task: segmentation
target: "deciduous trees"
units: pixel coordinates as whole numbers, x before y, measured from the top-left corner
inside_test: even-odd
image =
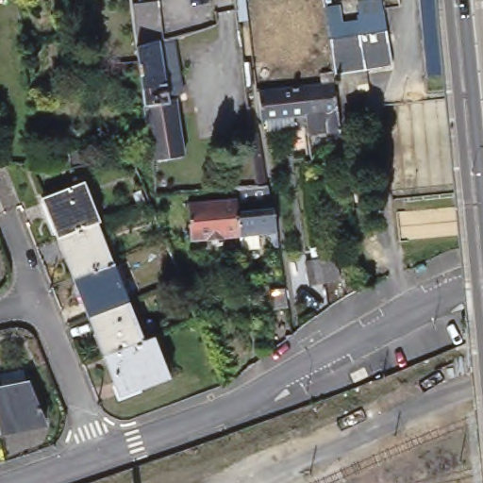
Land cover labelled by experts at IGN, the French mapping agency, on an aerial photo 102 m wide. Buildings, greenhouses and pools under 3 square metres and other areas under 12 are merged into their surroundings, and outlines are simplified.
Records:
[[[385,100],[379,87],[372,87],[368,91],[347,94],[345,109],[340,111],[341,136],[330,134],[321,142],[311,145],[313,168],[309,168],[306,175],[298,179],[296,185],[291,185],[289,196],[294,200],[294,192],[300,191],[304,194],[302,215],[306,217],[308,225],[309,249],[315,247],[317,257],[326,262],[334,262],[340,268],[358,268],[357,258],[364,255],[364,238],[372,236],[374,232],[387,230],[385,208],[389,200],[391,191],[394,177],[392,128],[396,125],[396,111],[392,108],[391,102]]]
[[[57,70],[51,79],[51,94],[47,96],[53,100],[70,100],[77,89],[85,91],[81,108],[77,108],[74,117],[70,117],[70,140],[23,143],[23,164],[34,177],[55,177],[70,172],[66,162],[68,155],[72,155],[74,151],[79,151],[79,162],[91,170],[96,181],[108,170],[123,172],[123,164],[134,164],[142,170],[145,177],[153,177],[153,174],[153,158],[155,145],[147,136],[149,130],[145,128],[143,119],[140,87],[136,91],[126,91],[113,81],[109,81],[106,75],[98,72]]]
[[[175,317],[179,325],[189,323],[192,319],[200,319],[208,321],[209,326],[217,325],[223,328],[226,319],[232,321],[241,317],[253,321],[257,317],[260,325],[274,325],[277,313],[272,296],[268,302],[262,302],[257,294],[264,292],[262,285],[255,285],[251,281],[251,275],[241,275],[236,270],[228,268],[213,275],[211,279],[196,279],[194,287],[189,291],[177,285],[164,283],[160,289],[153,291],[157,296],[157,302],[151,311],[160,311],[168,317]]]
[[[17,45],[25,47],[23,62],[26,68],[19,74],[19,85],[30,85],[43,72],[38,57],[42,45],[57,43],[57,55],[70,53],[79,62],[92,62],[106,58],[109,32],[104,23],[106,0],[70,0],[72,13],[55,11],[58,23],[55,30],[42,30],[32,25],[28,19],[21,19],[23,28],[17,34]]]
[[[13,128],[0,128],[0,168],[6,166],[13,164]]]

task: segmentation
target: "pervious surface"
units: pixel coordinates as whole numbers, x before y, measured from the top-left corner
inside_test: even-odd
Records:
[[[126,470],[94,483],[134,483],[132,470]]]
[[[72,275],[64,258],[45,264],[51,289],[57,292],[58,304],[64,309],[77,306],[72,291]]]
[[[464,351],[457,351],[453,347],[451,351],[428,358],[425,362],[413,366],[404,364],[398,368],[396,374],[381,377],[364,387],[355,387],[353,391],[341,392],[338,396],[328,398],[315,406],[296,409],[287,415],[264,421],[260,425],[249,426],[241,432],[209,441],[194,449],[181,451],[177,455],[158,458],[155,462],[140,468],[142,483],[474,483],[468,441],[470,432],[468,426],[462,426],[460,417],[460,406],[468,400],[468,396],[460,394],[460,381],[466,377],[464,372],[468,370],[470,360],[464,357]]]

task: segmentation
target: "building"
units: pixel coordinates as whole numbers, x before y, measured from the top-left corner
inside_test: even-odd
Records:
[[[438,30],[440,0],[419,0],[423,11],[428,75],[443,74]]]
[[[0,209],[13,211],[17,206],[23,206],[6,166],[0,168]]]
[[[149,130],[147,136],[155,145],[153,158],[166,158],[170,162],[177,157],[185,157],[185,115],[181,92],[187,87],[191,60],[181,55],[179,36],[158,42],[138,42],[140,47],[134,55],[138,72],[142,77],[140,87],[143,119],[145,128]]]
[[[58,241],[64,258],[72,275],[79,277],[77,287],[85,304],[83,315],[94,325],[94,334],[102,357],[111,375],[115,396],[117,400],[126,400],[138,396],[145,389],[168,381],[170,370],[162,357],[158,341],[155,338],[143,338],[142,328],[136,319],[134,309],[130,306],[123,279],[111,258],[102,230],[102,219],[87,181],[79,181],[66,189],[43,194],[38,200],[38,206],[42,217],[53,240]]]
[[[275,213],[279,213],[279,198],[274,191],[268,192],[264,185],[240,185],[236,191],[211,192],[204,196],[189,198],[187,209],[192,219],[191,232],[192,241],[206,241],[213,247],[221,247],[226,240],[240,240],[245,243],[247,236],[260,238],[264,232],[275,232]]]
[[[389,200],[394,211],[400,213],[400,232],[404,238],[428,240],[457,234],[455,209],[451,208],[451,194],[455,192],[453,189],[425,189],[400,194],[391,191]]]
[[[9,434],[34,428],[49,430],[49,419],[45,413],[40,408],[38,396],[30,381],[13,381],[0,385],[0,428]]]
[[[294,74],[294,77],[289,79],[262,79],[257,85],[262,100],[262,111],[258,111],[257,117],[260,128],[268,132],[283,126],[296,126],[298,130],[306,130],[306,145],[311,145],[321,142],[330,134],[341,136],[340,111],[334,96],[340,91],[340,87],[330,83],[338,70],[338,62],[345,70],[355,70],[362,68],[362,64],[366,62],[374,68],[387,66],[394,60],[392,32],[385,28],[381,0],[355,0],[357,21],[343,21],[343,0],[326,0],[326,19],[334,38],[328,42],[330,72],[323,74],[321,79],[302,77],[300,74]]]

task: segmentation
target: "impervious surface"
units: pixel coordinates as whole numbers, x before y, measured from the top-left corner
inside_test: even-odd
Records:
[[[357,21],[355,0],[343,0],[343,21]]]
[[[57,445],[51,445],[51,441],[45,440],[49,430],[34,428],[9,434],[0,428],[0,483],[94,483],[126,470],[132,470],[134,483],[142,483],[140,468],[155,462],[158,458],[177,455],[181,451],[194,449],[209,441],[241,432],[249,426],[260,425],[264,421],[287,415],[296,409],[315,406],[328,398],[338,396],[341,392],[353,391],[355,387],[364,387],[381,377],[396,374],[398,368],[404,364],[413,366],[425,362],[428,358],[451,351],[453,347],[457,351],[464,351],[464,357],[470,360],[468,370],[464,372],[466,377],[460,381],[460,394],[468,396],[468,400],[460,406],[460,417],[462,426],[468,426],[470,432],[468,441],[474,483],[483,483],[483,0],[440,0],[438,30],[443,74],[428,75],[423,11],[419,0],[381,0],[385,28],[392,32],[394,60],[387,66],[374,68],[366,62],[362,64],[362,68],[355,70],[345,70],[338,62],[338,70],[330,83],[340,87],[340,91],[334,96],[340,111],[345,109],[347,94],[368,91],[372,87],[379,87],[385,100],[391,102],[392,108],[396,111],[396,125],[392,128],[394,177],[391,191],[400,194],[425,189],[453,189],[455,192],[451,194],[451,208],[455,209],[457,234],[428,240],[404,238],[400,232],[400,213],[394,211],[389,200],[385,208],[387,230],[374,232],[372,236],[364,238],[364,255],[357,258],[358,268],[366,274],[368,289],[357,292],[351,291],[345,285],[345,277],[341,277],[340,268],[334,262],[326,262],[317,257],[315,247],[309,249],[308,225],[306,217],[302,215],[304,194],[300,191],[294,192],[294,200],[292,215],[294,225],[300,230],[302,251],[283,253],[285,266],[289,270],[289,285],[287,289],[275,289],[272,296],[277,313],[274,325],[275,345],[279,347],[275,353],[270,353],[268,349],[245,349],[241,340],[230,341],[238,360],[243,364],[247,362],[249,368],[238,379],[232,379],[228,387],[219,387],[170,406],[153,409],[134,421],[111,419],[98,408],[98,398],[115,396],[111,375],[102,357],[83,364],[75,351],[75,336],[83,336],[87,332],[94,334],[94,325],[83,315],[85,304],[77,287],[79,277],[72,275],[72,291],[77,306],[64,309],[58,304],[57,292],[51,289],[45,264],[64,258],[58,241],[53,240],[45,245],[38,245],[32,236],[32,221],[42,217],[38,206],[23,206],[17,206],[13,211],[0,209],[0,228],[8,241],[13,260],[11,281],[0,291],[0,330],[11,328],[13,338],[23,338],[26,357],[30,360],[21,368],[0,366],[0,385],[13,381],[30,381],[38,396],[40,408],[45,413],[53,406],[53,402],[49,392],[45,391],[42,377],[38,374],[40,366],[51,364],[60,391],[68,404],[68,419],[64,426],[66,434],[58,440]],[[298,317],[296,300],[306,300],[309,308],[315,308],[317,315],[313,315],[304,323]]]
[[[264,185],[268,192],[274,191],[272,181],[281,175],[291,177],[291,185],[296,185],[298,179],[306,175],[309,168],[313,168],[311,145],[306,145],[306,130],[298,130],[294,143],[296,149],[292,151],[292,155],[275,164],[268,143],[268,132],[260,128],[257,117],[258,111],[262,111],[262,100],[257,85],[262,79],[289,79],[294,77],[294,74],[300,74],[302,77],[321,79],[323,74],[330,72],[328,42],[334,38],[326,19],[326,0],[132,0],[128,4],[132,38],[138,42],[158,42],[179,36],[181,55],[191,60],[187,87],[181,92],[185,115],[196,115],[198,136],[209,138],[209,145],[225,151],[232,143],[243,143],[251,147],[253,158],[249,164],[243,164],[243,179],[240,185]]]
[[[266,241],[272,241],[272,245],[277,247],[275,232],[264,232],[260,238],[247,236],[245,243],[253,251],[253,257],[258,258],[264,251]]]

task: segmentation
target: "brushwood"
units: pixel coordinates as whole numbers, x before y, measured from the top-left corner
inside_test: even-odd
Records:
[[[345,285],[351,291],[357,292],[368,289],[366,274],[358,268],[340,268],[341,277],[345,277]]]
[[[102,357],[94,334],[87,332],[83,336],[75,336],[75,351],[83,364]]]
[[[70,100],[53,100],[47,96],[43,96],[38,89],[30,89],[26,100],[28,108],[38,106],[38,111],[51,111],[70,117],[74,117],[77,108],[81,108],[85,91],[77,89]]]
[[[204,196],[211,192],[236,191],[240,185],[243,179],[243,164],[249,164],[253,158],[251,147],[243,143],[232,143],[225,151],[209,145],[202,164],[204,175],[198,181],[200,189],[187,191],[189,198]]]
[[[106,75],[109,81],[113,81],[126,91],[136,91],[140,87],[142,77],[138,72],[134,55],[121,57],[119,66],[111,66],[106,58],[92,62],[98,72]]]
[[[11,328],[0,330],[0,366],[21,368],[30,360],[26,357],[23,338],[13,338]]]
[[[142,200],[134,200],[125,183],[117,183],[113,191],[121,194],[125,202],[109,204],[115,213],[104,215],[102,219],[102,230],[106,226],[109,230],[119,230],[121,226],[136,226],[140,217],[153,217],[155,213],[170,209],[170,200],[174,194],[164,192],[160,185],[164,172],[160,170],[153,174],[153,177],[145,177],[142,170],[134,164],[123,164],[123,172],[134,177],[134,183],[142,191]]]
[[[313,315],[317,315],[315,308],[309,308],[306,300],[296,300],[298,317],[304,323]]]
[[[292,155],[292,151],[296,149],[294,143],[298,130],[296,126],[283,126],[268,132],[268,143],[275,164]]]
[[[8,241],[0,228],[0,291],[11,281],[13,260]]]
[[[211,279],[213,275],[228,268],[236,270],[241,275],[251,275],[251,281],[255,285],[262,285],[264,292],[257,294],[262,302],[268,302],[272,296],[275,289],[287,289],[289,285],[289,270],[285,266],[283,253],[302,251],[300,230],[294,225],[292,215],[294,200],[289,196],[291,185],[291,177],[281,175],[272,181],[274,191],[279,198],[279,213],[275,213],[275,232],[277,247],[272,245],[272,241],[266,241],[264,251],[258,258],[253,257],[253,251],[245,243],[240,240],[226,240],[221,247],[213,247],[206,241],[192,241],[191,232],[187,234],[177,226],[149,226],[142,232],[142,241],[132,245],[125,243],[125,249],[130,255],[151,249],[166,241],[172,253],[181,249],[187,257],[198,262],[191,272],[196,279]]]
[[[257,317],[253,321],[241,317],[232,321],[226,319],[223,328],[217,325],[209,326],[215,345],[228,358],[223,372],[223,383],[219,387],[228,387],[232,379],[238,379],[249,368],[247,362],[243,364],[238,360],[230,341],[241,340],[245,349],[268,349],[270,353],[275,353],[279,347],[275,345],[274,325],[260,325]]]
[[[57,55],[57,43],[42,45],[38,57],[43,72],[53,66],[53,58]]]

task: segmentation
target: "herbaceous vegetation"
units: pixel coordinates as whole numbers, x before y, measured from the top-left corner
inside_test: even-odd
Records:
[[[53,240],[42,217],[32,221],[32,236],[38,245],[45,245]]]
[[[58,440],[66,434],[64,426],[68,419],[68,404],[60,391],[51,364],[40,366],[38,374],[42,377],[45,391],[49,392],[53,402],[53,406],[45,413],[49,419],[49,430],[45,440],[51,441],[51,445],[57,445]]]
[[[132,38],[128,4],[132,0],[106,0],[104,23],[109,32],[106,58],[111,66],[119,66],[121,57],[134,55],[140,47],[138,42]]]
[[[121,194],[113,191],[117,183],[125,183],[134,200],[142,200],[142,191],[134,183],[134,177],[123,172],[108,170],[96,181],[91,170],[79,162],[79,151],[74,151],[72,155],[68,155],[66,162],[70,172],[55,177],[34,177],[23,164],[23,143],[70,140],[70,117],[51,111],[38,111],[38,106],[28,108],[26,100],[30,89],[38,89],[43,96],[47,96],[51,94],[51,79],[57,70],[98,72],[92,62],[79,62],[70,53],[57,55],[53,58],[53,66],[43,72],[30,85],[19,85],[19,74],[26,68],[23,62],[25,47],[17,45],[17,34],[23,28],[21,19],[28,19],[32,25],[42,30],[55,30],[58,23],[55,11],[72,13],[70,0],[0,0],[0,128],[13,128],[13,164],[6,166],[23,206],[38,206],[38,200],[43,194],[66,189],[79,181],[87,181],[102,219],[104,215],[115,213],[109,204],[125,202]]]
[[[151,311],[157,302],[157,296],[153,291],[160,289],[164,283],[177,285],[189,291],[194,287],[196,279],[191,272],[198,262],[187,257],[181,249],[172,253],[166,241],[151,249],[130,255],[125,249],[125,243],[132,245],[142,241],[142,232],[149,226],[177,226],[187,234],[191,232],[192,219],[187,209],[189,198],[187,191],[200,189],[198,181],[204,175],[202,164],[209,145],[209,138],[198,136],[196,115],[185,115],[185,157],[177,157],[170,162],[166,158],[153,158],[153,174],[160,170],[164,172],[160,185],[164,192],[174,194],[170,200],[170,209],[155,213],[153,217],[140,217],[136,226],[121,226],[119,230],[109,230],[106,226],[102,230],[111,258],[123,279],[130,306],[134,309],[136,319],[142,328],[143,338],[155,338],[158,341],[162,357],[170,370],[168,381],[145,389],[138,396],[126,400],[117,400],[115,396],[98,398],[98,408],[111,419],[134,421],[153,409],[170,406],[219,387],[223,383],[223,372],[228,358],[215,345],[209,326],[208,321],[200,319],[192,319],[189,323],[179,325],[175,317],[168,317],[160,311]]]

